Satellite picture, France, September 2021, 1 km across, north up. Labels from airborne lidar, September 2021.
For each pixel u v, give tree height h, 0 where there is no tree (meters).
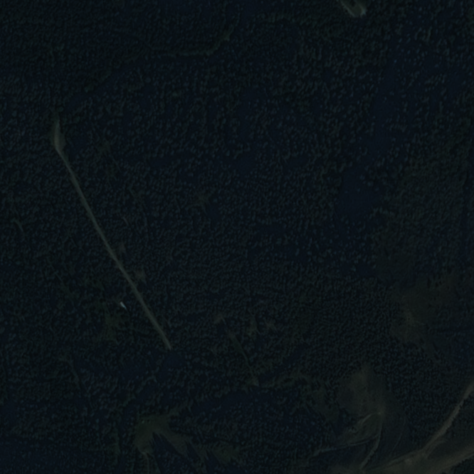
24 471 18
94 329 10
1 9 21
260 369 8
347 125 25
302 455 13
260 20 22
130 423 18
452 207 7
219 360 10
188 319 0
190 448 0
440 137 9
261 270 29
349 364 8
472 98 20
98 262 26
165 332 6
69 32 18
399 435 0
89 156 23
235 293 18
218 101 13
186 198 30
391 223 8
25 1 18
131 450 16
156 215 27
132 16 17
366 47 19
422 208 10
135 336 9
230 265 27
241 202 28
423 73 22
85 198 12
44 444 13
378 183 13
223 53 10
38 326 14
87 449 10
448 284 0
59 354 14
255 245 27
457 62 20
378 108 22
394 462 0
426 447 0
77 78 13
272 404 14
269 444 22
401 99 29
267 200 21
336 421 0
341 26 14
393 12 9
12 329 15
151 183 26
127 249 24
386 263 0
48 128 6
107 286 16
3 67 20
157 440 0
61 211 8
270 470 13
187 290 26
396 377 7
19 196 29
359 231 19
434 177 9
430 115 10
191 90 23
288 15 18
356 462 0
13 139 31
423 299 0
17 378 27
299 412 0
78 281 14
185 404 29
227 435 23
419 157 12
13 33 15
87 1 13
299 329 14
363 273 0
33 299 20
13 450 19
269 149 32
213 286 26
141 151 24
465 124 19
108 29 15
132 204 26
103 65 17
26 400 29
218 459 0
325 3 16
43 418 25
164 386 31
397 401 9
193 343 13
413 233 7
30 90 30
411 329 0
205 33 10
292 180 25
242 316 22
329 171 14
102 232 11
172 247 24
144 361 15
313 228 6
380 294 11
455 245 9
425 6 21
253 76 16
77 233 7
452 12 15
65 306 11
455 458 0
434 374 7
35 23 14
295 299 17
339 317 13
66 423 15
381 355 10
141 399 10
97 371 7
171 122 28
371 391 0
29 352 7
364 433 0
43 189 27
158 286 21
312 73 35
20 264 18
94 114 11
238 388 7
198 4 14
